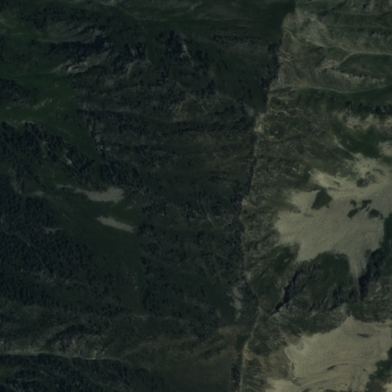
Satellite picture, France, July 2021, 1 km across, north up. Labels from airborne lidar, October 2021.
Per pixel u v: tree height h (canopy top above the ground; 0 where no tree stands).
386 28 0
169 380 0
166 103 7
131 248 0
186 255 7
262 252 9
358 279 0
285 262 0
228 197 0
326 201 0
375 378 0
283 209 0
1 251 13
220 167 0
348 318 0
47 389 9
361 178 0
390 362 0
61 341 6
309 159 0
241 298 0
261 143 7
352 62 0
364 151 0
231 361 0
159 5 0
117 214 0
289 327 0
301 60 0
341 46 0
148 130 7
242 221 0
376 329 0
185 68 0
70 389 8
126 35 0
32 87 0
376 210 0
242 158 0
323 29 0
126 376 7
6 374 0
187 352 0
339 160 0
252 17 0
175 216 0
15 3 0
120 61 8
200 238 6
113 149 0
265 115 0
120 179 8
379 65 0
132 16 0
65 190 10
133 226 0
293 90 7
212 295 0
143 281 0
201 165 0
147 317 0
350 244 0
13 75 0
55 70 0
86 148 0
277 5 0
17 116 0
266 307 0
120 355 0
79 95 0
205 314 0
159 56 0
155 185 0
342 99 0
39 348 0
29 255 9
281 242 0
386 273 0
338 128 0
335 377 0
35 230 8
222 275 0
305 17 0
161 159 12
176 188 0
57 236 11
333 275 0
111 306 9
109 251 0
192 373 0
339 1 0
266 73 0
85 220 0
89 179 10
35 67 0
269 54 0
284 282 0
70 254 11
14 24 0
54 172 0
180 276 0
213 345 0
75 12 0
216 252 0
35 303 6
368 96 0
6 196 8
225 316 0
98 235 0
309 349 0
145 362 0
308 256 0
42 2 0
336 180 0
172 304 0
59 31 0
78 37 0
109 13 0
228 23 0
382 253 9
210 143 0
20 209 10
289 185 0
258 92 0
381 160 0
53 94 0
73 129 0
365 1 0
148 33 0
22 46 0
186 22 0
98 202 0
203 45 0
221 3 0
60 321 9
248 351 0
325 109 0
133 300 0
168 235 0
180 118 0
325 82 0
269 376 0
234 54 0
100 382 0
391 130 0
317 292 0
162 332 0
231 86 0
